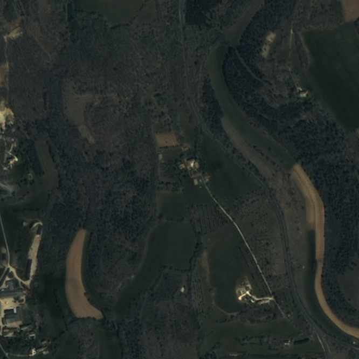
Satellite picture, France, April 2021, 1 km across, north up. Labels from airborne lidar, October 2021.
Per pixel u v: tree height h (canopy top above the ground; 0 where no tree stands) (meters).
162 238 0
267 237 7
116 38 16
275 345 13
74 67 9
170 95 6
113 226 10
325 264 6
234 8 12
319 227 0
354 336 0
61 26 13
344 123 0
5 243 0
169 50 10
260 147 0
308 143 11
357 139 10
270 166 0
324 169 7
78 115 0
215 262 0
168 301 0
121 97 10
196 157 12
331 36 0
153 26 9
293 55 0
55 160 14
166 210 0
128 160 6
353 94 0
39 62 10
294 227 0
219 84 0
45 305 0
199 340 9
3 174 10
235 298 0
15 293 0
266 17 8
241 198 7
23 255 8
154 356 0
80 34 15
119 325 8
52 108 16
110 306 0
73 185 7
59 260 8
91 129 7
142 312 0
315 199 0
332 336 7
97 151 8
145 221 11
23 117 12
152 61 15
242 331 0
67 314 9
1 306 0
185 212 0
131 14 0
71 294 0
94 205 15
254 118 17
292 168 0
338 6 11
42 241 12
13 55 14
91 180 7
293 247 0
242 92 16
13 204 10
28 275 0
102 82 10
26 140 13
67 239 11
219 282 0
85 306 0
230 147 13
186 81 10
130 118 15
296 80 12
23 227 0
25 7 9
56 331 0
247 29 8
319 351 0
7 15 14
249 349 0
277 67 9
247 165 6
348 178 16
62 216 13
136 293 0
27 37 15
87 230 11
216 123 11
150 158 13
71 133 15
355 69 0
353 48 0
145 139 12
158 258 0
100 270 11
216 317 0
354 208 7
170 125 12
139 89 12
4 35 12
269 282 12
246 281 0
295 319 0
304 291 0
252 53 7
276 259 0
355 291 0
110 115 12
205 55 8
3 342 11
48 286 0
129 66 16
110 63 14
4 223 0
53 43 7
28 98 11
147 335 11
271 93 16
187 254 0
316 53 0
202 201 0
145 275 0
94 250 11
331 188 15
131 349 6
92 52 12
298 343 10
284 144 6
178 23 10
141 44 13
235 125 0
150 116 13
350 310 6
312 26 10
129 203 6
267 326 0
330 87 0
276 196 18
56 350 6
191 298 8
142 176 6
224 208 8
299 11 12
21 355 7
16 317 0
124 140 14
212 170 0
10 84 19
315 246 0
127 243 10
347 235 7
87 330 13
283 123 16
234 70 15
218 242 0
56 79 16
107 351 0
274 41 0
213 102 10
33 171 13
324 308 0
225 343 0
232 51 20
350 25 0
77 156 18
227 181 0
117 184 8
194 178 0
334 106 0
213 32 10
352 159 11
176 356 0
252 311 12
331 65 0
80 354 7
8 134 10
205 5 10
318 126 12
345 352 0
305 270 0
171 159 0
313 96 6
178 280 0
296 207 12
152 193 12
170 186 17
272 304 13
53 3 11
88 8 0
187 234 0
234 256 0
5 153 6
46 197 0
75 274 0
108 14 0
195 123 16
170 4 5
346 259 11
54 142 15
